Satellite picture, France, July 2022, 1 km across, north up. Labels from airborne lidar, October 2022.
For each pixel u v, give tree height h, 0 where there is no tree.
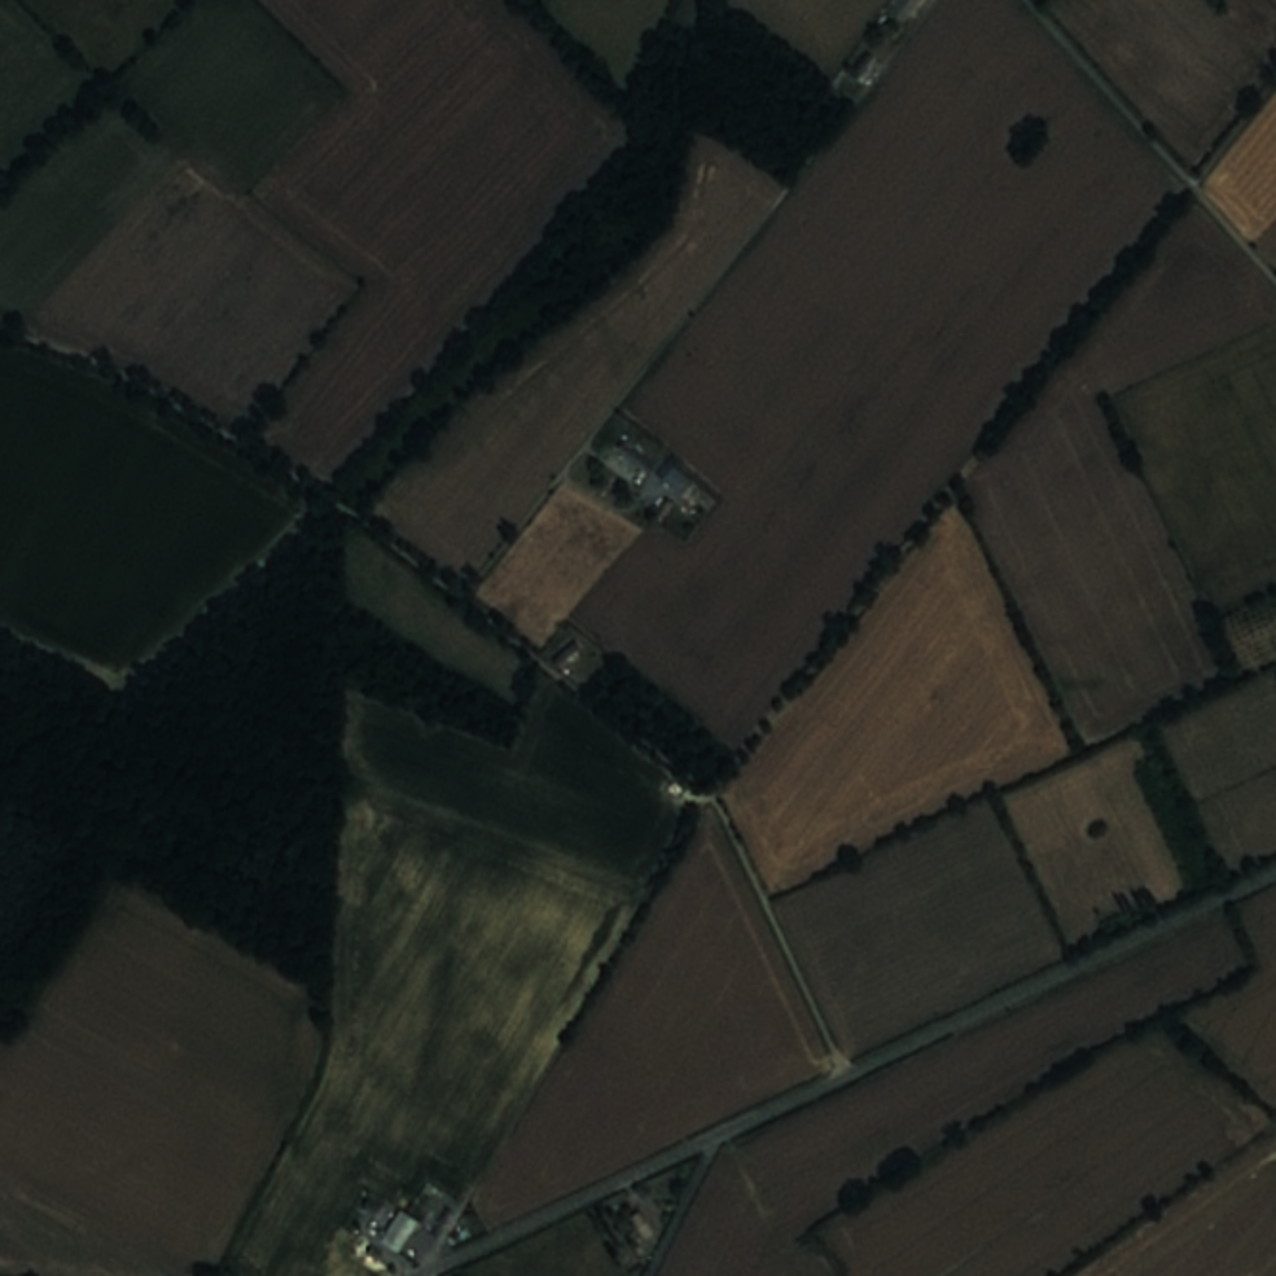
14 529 0
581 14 0
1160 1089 0
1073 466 0
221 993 0
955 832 0
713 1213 0
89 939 0
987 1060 0
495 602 0
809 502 0
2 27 0
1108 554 0
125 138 0
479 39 0
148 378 16
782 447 0
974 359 0
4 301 0
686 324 0
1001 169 0
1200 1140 0
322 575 25
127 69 9
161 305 0
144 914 0
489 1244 0
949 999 0
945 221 0
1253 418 0
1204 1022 0
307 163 0
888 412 0
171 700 23
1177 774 12
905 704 0
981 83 0
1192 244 0
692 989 0
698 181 0
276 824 25
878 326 0
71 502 0
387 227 0
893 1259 0
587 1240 0
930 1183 0
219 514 0
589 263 12
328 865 19
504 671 0
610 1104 0
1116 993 0
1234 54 0
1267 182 0
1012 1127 0
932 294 0
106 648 0
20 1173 0
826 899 0
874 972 0
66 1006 0
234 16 0
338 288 0
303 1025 0
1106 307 12
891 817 0
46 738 26
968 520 9
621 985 0
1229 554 0
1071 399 0
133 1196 0
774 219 0
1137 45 0
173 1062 0
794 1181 0
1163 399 0
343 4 0
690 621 0
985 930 0
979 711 0
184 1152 0
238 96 0
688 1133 0
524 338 10
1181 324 0
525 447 0
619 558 0
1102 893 0
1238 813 0
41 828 21
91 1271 0
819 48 0
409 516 0
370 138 0
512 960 0
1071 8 0
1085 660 0
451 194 0
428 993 0
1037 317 0
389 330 0
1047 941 0
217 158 0
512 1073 0
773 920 0
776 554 0
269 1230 0
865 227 0
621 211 15
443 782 0
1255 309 0
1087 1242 0
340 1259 0
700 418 0
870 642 0
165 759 27
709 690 0
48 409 0
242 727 26
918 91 0
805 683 10
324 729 20
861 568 0
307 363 10
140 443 0
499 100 0
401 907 0
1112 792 0
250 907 11
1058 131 0
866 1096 0
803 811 0
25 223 0
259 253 0
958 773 0
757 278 0
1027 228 0
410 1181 0
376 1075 0
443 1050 0
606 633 0
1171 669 0
